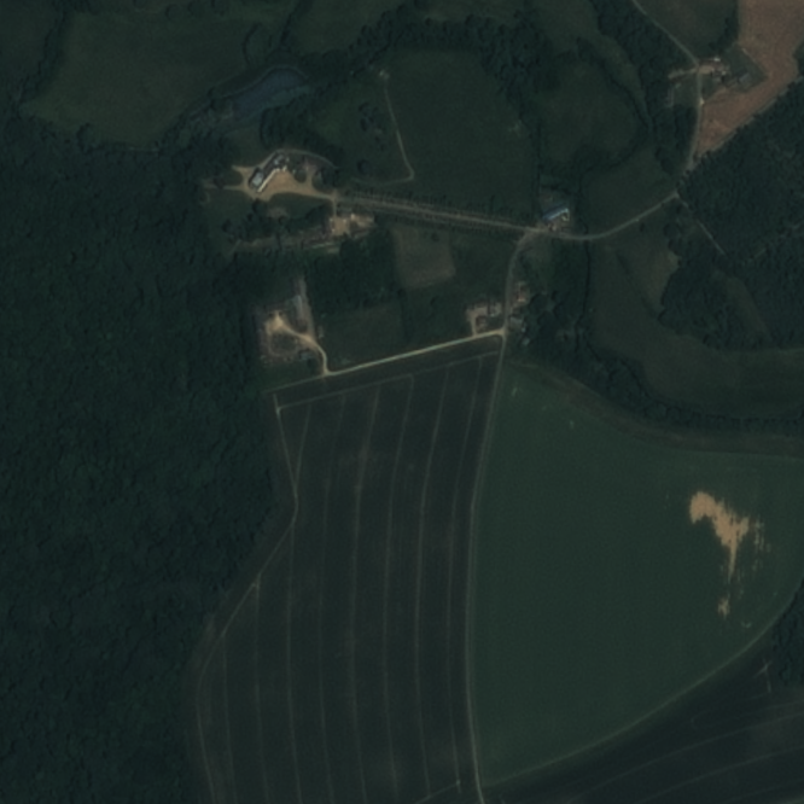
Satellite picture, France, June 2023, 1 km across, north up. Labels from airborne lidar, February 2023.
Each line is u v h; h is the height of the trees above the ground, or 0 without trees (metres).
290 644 0
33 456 22
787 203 9
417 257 0
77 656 24
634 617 0
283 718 0
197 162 27
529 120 21
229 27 0
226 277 7
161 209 21
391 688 0
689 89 0
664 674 0
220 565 22
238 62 0
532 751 0
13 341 16
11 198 21
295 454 0
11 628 12
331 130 0
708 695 0
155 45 0
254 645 0
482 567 0
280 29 6
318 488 0
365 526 0
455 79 0
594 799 0
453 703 0
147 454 24
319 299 8
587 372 6
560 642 0
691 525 0
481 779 0
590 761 0
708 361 0
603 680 0
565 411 0
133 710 22
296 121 19
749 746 0
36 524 23
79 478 24
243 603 0
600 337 0
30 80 11
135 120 0
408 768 0
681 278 8
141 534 11
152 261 28
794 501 0
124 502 22
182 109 0
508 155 0
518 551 0
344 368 0
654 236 0
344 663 0
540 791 0
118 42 0
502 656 0
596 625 0
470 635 0
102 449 29
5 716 24
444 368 0
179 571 16
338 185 21
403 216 24
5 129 24
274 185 0
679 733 0
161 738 20
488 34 24
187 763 13
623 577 0
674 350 0
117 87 0
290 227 13
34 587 17
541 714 0
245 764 0
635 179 0
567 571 0
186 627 23
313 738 0
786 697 0
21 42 0
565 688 0
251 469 19
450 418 0
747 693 0
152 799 27
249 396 28
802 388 0
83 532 21
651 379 0
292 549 0
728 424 11
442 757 0
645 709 0
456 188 0
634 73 0
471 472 0
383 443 0
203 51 0
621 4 19
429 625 0
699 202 16
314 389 0
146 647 22
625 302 0
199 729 0
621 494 0
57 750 20
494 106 0
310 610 0
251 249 0
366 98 0
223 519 14
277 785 0
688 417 14
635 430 0
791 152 14
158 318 19
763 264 11
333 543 0
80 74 0
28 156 23
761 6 0
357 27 0
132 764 21
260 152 0
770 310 10
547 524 0
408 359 0
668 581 0
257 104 0
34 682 27
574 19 0
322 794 0
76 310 18
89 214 16
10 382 30
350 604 0
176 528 16
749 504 0
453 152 0
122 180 29
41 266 20
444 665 0
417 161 0
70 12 10
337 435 0
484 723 0
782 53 0
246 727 0
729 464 0
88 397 24
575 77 0
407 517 0
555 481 0
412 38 16
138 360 24
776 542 0
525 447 0
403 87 0
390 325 0
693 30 0
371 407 0
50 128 9
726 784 0
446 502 0
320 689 0
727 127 0
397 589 0
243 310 17
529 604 0
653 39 17
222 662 0
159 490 24
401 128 0
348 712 0
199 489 23
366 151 0
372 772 0
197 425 21
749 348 7
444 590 0
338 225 0
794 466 0
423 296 0
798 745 0
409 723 0
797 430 18
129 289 28
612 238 0
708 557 0
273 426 0
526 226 21
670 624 0
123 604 24
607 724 0
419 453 0
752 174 12
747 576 0
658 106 18
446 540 0
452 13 0
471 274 0
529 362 0
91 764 25
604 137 0
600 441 0
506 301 0
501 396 0
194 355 25
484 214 27
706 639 0
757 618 0
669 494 0
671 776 0
